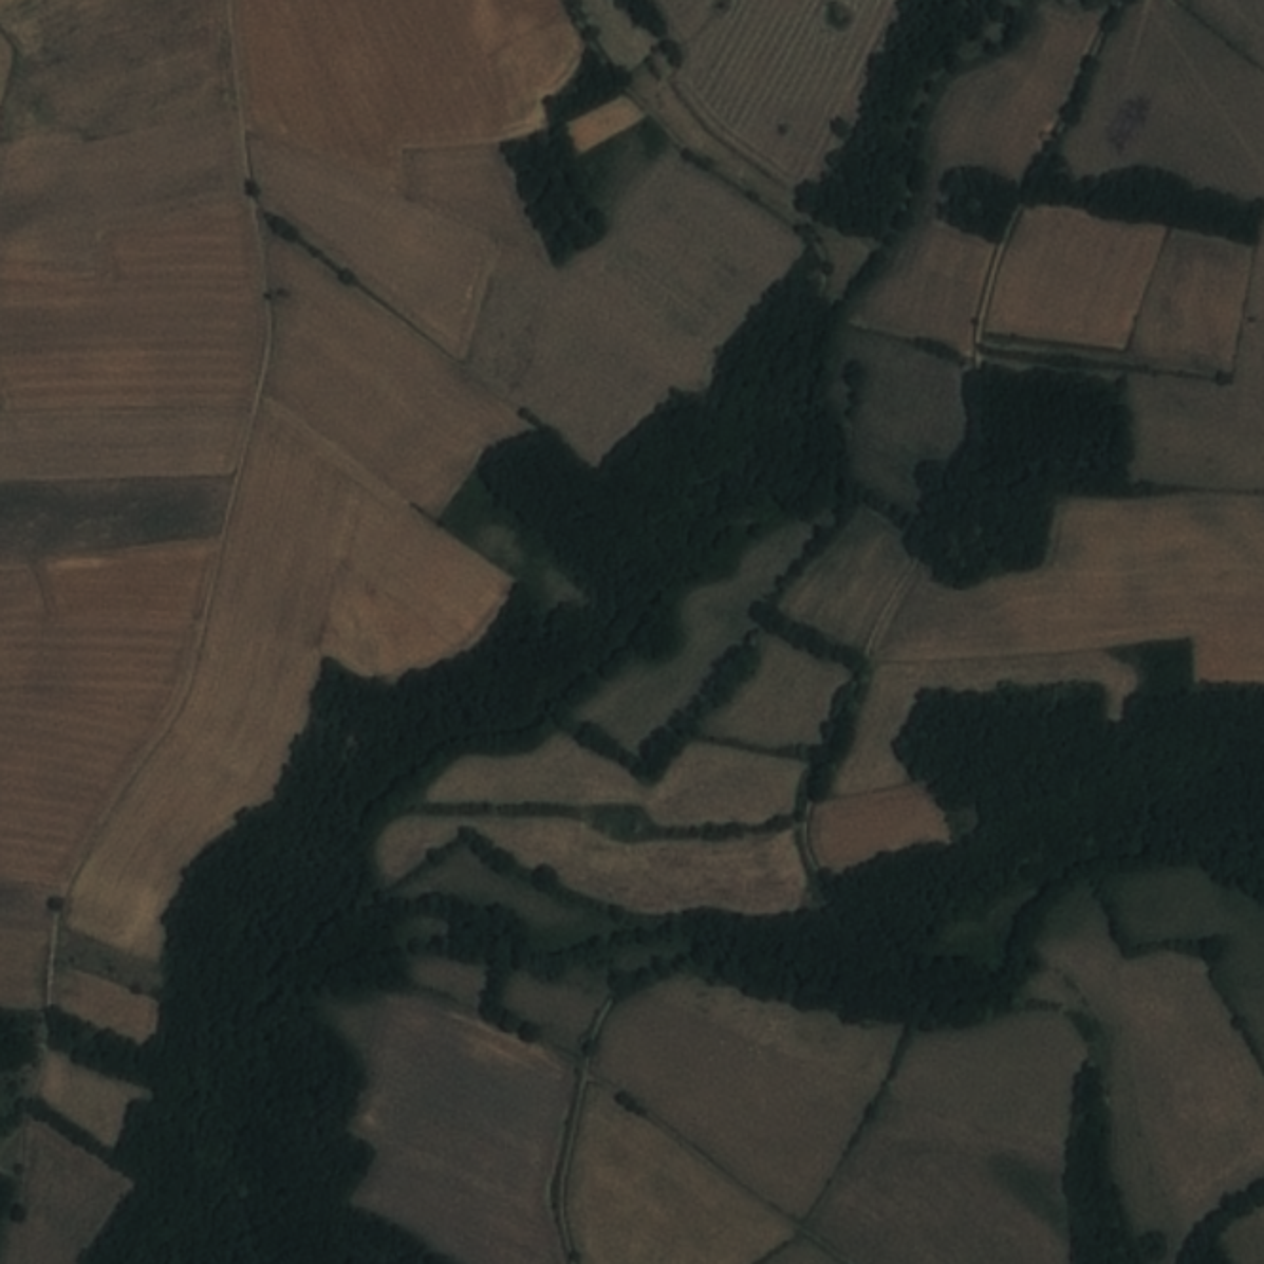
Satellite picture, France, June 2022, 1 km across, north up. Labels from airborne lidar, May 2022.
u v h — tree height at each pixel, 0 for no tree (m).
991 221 12
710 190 0
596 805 0
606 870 0
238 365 0
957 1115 0
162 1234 20
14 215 0
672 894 0
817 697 0
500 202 0
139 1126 12
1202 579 0
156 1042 13
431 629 0
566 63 0
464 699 20
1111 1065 0
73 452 0
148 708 0
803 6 0
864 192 10
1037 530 13
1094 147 0
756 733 0
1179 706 14
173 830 0
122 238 0
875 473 0
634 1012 0
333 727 11
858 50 0
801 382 13
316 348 0
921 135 13
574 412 0
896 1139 0
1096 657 0
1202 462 0
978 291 0
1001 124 0
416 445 0
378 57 0
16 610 0
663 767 11
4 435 0
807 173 0
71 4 0
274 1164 21
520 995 0
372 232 0
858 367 12
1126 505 0
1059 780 16
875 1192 0
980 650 0
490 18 0
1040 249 0
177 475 0
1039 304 0
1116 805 19
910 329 0
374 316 0
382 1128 0
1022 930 15
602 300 0
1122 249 0
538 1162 0
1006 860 17
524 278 0
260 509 0
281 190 0
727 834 12
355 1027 0
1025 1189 0
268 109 0
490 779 0
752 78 0
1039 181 16
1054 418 12
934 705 13
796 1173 0
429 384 0
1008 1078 0
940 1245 0
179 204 0
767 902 0
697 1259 0
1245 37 0
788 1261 0
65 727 0
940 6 13
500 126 0
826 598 0
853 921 20
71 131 0
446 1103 0
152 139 0
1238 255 0
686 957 13
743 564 0
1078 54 0
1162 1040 0
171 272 0
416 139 0
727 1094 0
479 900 0
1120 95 0
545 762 0
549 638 19
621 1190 0
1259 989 0
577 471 17
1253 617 0
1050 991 0
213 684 0
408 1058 0
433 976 0
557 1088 0
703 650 0
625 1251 0
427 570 0
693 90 0
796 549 0
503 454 16
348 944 12
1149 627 0
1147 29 0
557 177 12
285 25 0
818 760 16
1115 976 0
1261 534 0
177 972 11
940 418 0
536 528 16
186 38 0
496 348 0
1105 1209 11
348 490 0
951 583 12
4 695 0
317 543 0
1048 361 6
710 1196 0
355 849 21
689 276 0
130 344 0
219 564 0
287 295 7
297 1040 15
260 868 16
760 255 0
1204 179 0
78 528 0
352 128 0
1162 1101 0
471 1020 0
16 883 0
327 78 0
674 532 17
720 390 10
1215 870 18
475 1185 0
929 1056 0
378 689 21
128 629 0
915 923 18
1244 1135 0
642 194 0
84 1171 0
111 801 0
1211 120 0
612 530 16
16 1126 10
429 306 0
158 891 0
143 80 0
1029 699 11
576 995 0
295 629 0
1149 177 16
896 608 0
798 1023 0
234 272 0
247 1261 27
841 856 0
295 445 0
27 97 0
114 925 0
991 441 15
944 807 15
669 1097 0
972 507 21
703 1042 0
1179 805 17
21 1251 0
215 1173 18
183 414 0
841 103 0
